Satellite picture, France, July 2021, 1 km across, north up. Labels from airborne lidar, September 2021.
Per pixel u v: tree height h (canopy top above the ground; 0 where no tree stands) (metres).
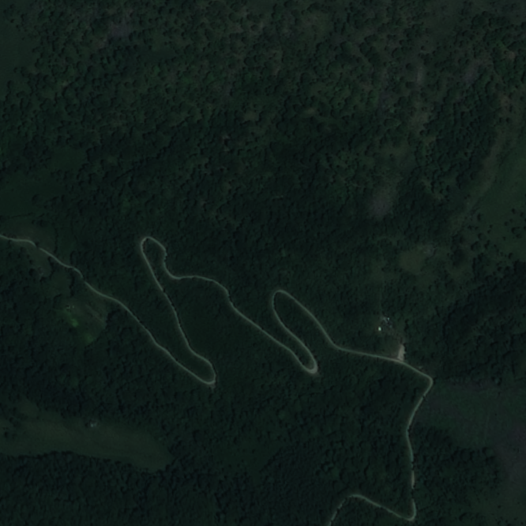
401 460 17
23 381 9
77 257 20
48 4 17
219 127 20
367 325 7
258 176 6
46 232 0
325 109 20
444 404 0
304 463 14
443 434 12
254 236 13
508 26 18
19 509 28
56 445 0
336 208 19
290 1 12
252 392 13
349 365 12
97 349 11
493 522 0
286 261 12
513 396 0
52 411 14
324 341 8
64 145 20
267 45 7
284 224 19
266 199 25
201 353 10
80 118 10
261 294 8
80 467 22
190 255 8
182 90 9
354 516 7
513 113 13
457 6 0
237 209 17
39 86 15
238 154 23
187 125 20
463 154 23
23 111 19
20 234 0
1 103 16
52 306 17
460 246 7
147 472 9
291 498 11
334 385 18
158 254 9
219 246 10
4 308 23
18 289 29
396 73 11
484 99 18
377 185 12
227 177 21
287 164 13
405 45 21
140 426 9
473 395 0
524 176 0
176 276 8
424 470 13
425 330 7
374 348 6
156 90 14
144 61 12
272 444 10
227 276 10
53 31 16
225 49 20
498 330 12
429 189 13
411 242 6
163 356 10
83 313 0
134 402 10
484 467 9
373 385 21
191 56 13
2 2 0
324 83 12
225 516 21
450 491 7
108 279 10
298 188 26
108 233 11
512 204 0
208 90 12
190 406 10
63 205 20
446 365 8
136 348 25
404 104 17
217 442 10
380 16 15
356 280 5
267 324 10
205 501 34
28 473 23
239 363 11
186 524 28
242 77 12
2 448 0
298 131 21
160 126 17
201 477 13
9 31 0
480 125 17
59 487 19
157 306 10
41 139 13
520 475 0
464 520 17
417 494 12
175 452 24
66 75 19
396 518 14
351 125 25
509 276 15
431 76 14
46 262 0
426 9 9
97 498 26
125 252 14
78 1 19
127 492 19
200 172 12
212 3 9
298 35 8
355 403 20
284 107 9
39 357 25
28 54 0
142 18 13
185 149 26
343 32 10
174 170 24
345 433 18
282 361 12
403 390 10
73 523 24
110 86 14
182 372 8
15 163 19
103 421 10
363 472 11
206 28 12
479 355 17
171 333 9
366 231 11
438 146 18
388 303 11
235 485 12
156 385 17
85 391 27
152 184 10
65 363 12
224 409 24
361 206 14
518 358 19
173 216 15
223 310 17
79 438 0
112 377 34
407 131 8
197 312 9
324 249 12
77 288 21
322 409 24
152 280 9
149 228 8
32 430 0
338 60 15
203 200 20
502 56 16
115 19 12
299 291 5
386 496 15
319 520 9
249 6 17
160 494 29
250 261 11
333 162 24
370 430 21
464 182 20
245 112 12
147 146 9
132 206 5
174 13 15
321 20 0
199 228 10
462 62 14
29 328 27
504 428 0
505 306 15
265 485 8
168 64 13
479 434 0
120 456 0
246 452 8
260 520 14
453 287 11
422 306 7
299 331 8
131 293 11
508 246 0
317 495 11
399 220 11
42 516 26
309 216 11
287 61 13
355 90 14
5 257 11
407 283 11
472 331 9
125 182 25
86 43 12
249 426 12
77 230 17
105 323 0
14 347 11
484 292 14
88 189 23
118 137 18
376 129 9
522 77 16
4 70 0
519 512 0
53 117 17
